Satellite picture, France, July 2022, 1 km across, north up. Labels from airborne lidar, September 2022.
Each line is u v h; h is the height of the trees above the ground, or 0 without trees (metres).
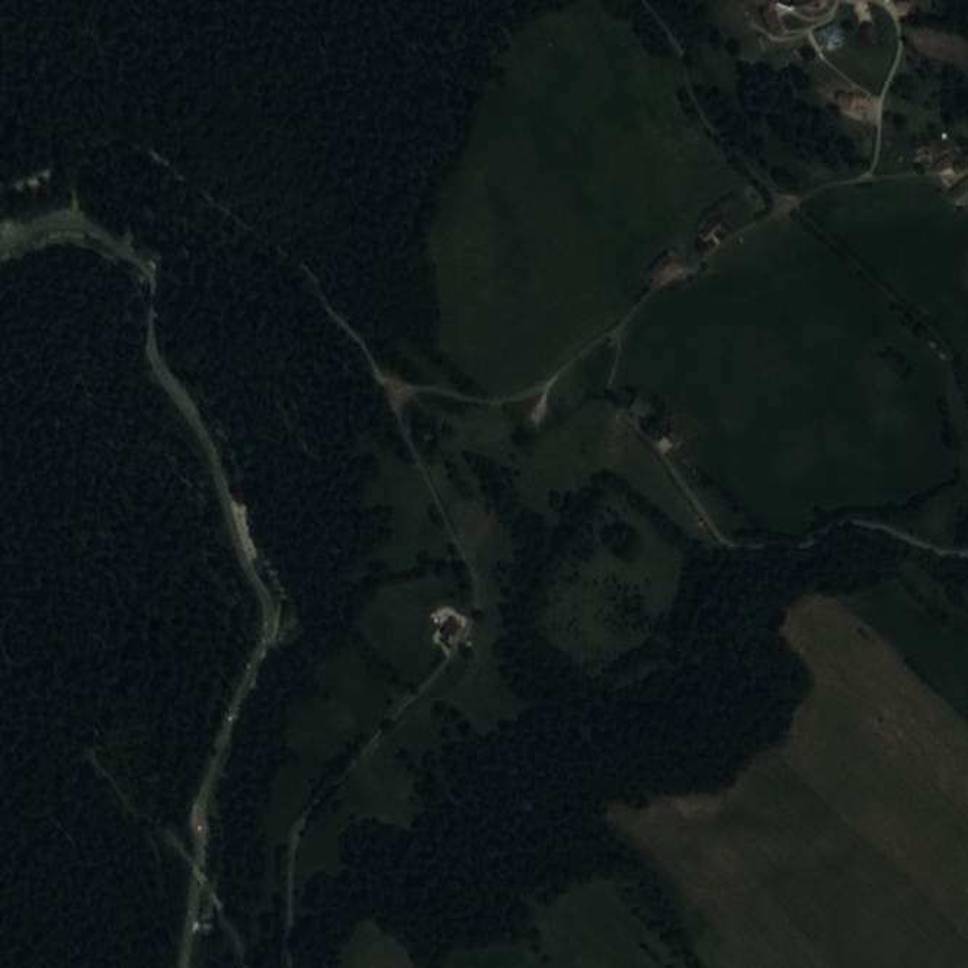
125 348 30
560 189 0
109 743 8
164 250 31
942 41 0
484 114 0
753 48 0
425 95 27
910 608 0
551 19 0
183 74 17
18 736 14
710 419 0
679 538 7
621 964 0
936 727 0
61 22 18
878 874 0
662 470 0
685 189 0
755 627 7
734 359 0
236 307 32
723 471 0
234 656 17
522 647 9
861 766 0
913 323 8
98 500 27
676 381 0
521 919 19
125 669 17
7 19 12
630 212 0
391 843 10
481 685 0
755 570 10
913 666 6
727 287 0
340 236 19
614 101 0
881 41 0
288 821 0
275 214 18
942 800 0
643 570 0
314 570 20
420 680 0
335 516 23
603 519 7
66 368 15
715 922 0
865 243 0
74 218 0
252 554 0
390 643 0
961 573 12
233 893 16
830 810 0
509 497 7
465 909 15
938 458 0
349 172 20
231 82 20
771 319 0
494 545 0
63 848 19
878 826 0
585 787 9
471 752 7
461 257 0
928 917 0
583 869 11
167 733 27
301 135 20
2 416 26
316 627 24
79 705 25
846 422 0
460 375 7
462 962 0
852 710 0
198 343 12
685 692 11
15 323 31
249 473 25
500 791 25
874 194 0
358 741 7
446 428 9
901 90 8
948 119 15
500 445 0
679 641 14
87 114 22
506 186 0
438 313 13
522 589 7
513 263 0
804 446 0
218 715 17
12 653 21
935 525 0
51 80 18
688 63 13
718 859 0
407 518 0
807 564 14
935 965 0
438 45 10
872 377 0
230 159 17
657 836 0
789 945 0
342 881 10
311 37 22
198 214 28
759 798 0
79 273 28
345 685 0
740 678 25
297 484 17
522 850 9
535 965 0
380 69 14
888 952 0
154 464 31
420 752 0
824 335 0
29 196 17
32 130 21
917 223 0
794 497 0
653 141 0
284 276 9
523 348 0
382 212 19
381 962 0
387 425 10
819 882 0
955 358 7
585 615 0
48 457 14
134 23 22
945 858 0
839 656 0
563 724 14
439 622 0
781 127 22
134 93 15
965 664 0
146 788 8
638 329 0
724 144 12
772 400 0
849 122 0
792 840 0
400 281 20
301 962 12
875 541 13
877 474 0
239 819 25
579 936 0
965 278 0
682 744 17
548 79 0
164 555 23
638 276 0
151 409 22
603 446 0
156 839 7
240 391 21
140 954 34
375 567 11
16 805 25
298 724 0
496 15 23
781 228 0
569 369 0
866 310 0
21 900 25
